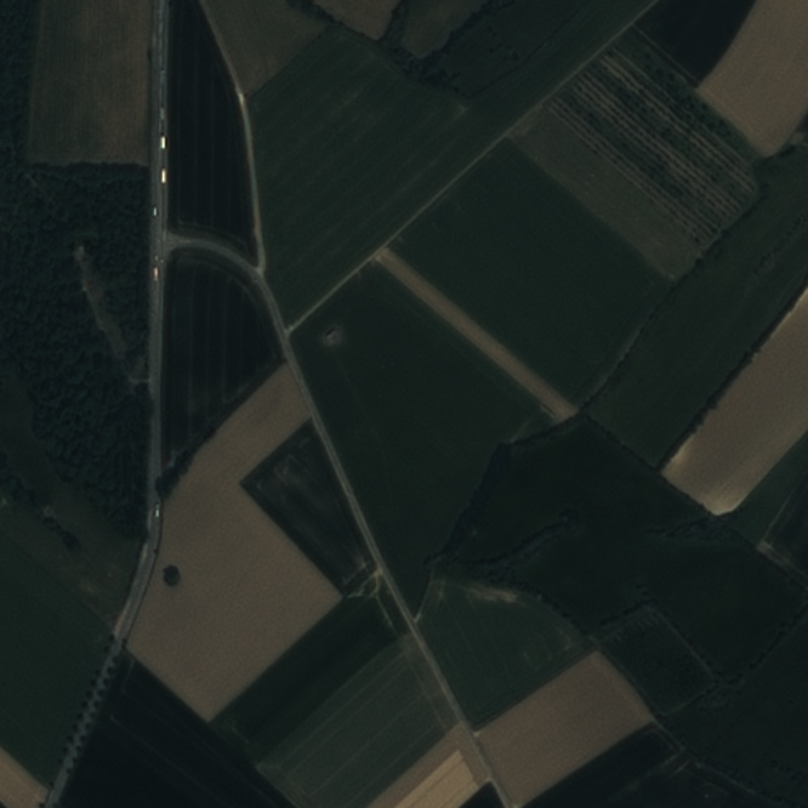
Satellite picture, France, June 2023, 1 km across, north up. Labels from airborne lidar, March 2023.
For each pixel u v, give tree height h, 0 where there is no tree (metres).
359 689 0
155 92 0
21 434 0
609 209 0
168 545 0
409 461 0
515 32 0
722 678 8
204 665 0
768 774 0
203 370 0
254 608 0
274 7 0
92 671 0
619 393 0
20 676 0
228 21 0
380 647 0
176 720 0
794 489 0
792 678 0
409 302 0
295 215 0
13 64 25
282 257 0
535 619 0
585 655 0
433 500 0
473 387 0
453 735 0
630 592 0
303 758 0
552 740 0
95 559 0
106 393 19
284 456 0
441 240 0
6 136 23
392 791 0
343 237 0
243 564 0
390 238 0
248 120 0
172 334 0
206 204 0
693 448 0
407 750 0
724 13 0
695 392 0
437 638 0
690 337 0
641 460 7
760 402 0
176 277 0
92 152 0
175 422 0
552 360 0
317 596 0
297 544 0
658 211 0
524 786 0
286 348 0
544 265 0
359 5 0
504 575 11
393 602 0
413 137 0
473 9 0
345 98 0
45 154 0
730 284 0
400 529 0
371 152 0
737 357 0
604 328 0
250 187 0
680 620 0
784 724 0
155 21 0
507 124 0
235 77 0
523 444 8
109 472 24
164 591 0
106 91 0
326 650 0
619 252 0
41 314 24
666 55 0
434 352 0
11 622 0
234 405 0
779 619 0
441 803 0
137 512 27
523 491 0
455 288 0
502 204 0
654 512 0
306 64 0
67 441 30
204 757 0
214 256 0
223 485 0
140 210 10
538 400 0
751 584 0
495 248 0
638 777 0
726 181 0
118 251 18
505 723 0
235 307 0
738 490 0
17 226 6
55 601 0
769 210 0
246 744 0
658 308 6
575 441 0
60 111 0
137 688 0
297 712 0
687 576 0
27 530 0
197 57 0
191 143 0
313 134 0
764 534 0
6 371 24
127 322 22
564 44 0
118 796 0
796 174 0
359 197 0
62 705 0
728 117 0
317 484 0
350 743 0
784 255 0
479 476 0
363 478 0
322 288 0
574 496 0
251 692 0
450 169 0
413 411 0
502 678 0
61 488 0
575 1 0
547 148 0
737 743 0
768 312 0
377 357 0
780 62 0
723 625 0
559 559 0
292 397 0
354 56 0
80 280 15
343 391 0
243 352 0
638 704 0
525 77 0
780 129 0
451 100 0
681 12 0
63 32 0
